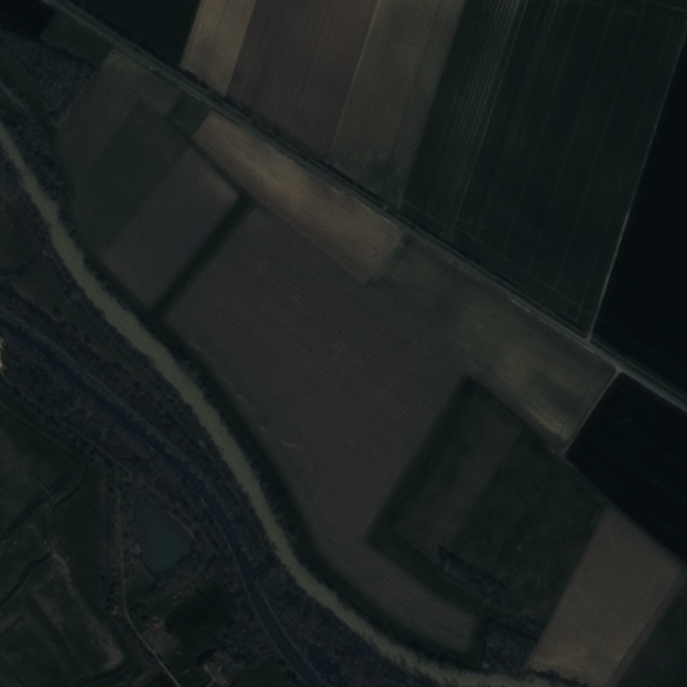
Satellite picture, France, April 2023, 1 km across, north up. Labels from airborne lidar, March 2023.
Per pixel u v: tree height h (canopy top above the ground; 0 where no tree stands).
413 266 0
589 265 0
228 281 0
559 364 0
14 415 0
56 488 0
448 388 0
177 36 0
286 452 0
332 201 0
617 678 0
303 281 0
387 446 0
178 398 11
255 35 0
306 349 0
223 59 0
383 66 0
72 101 10
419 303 0
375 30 0
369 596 0
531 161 0
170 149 0
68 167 0
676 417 0
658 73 0
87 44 0
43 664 0
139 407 21
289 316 0
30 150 17
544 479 0
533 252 0
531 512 0
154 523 0
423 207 0
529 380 0
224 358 0
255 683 0
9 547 0
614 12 0
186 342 0
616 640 0
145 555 0
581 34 0
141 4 0
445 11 0
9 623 0
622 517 0
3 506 0
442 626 0
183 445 23
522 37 0
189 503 10
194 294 0
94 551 0
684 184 0
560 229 0
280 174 0
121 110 0
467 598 0
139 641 8
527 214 0
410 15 0
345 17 0
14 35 10
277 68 0
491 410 0
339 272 0
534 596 0
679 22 0
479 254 0
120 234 0
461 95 0
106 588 0
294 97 0
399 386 0
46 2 0
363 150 0
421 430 0
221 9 0
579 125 0
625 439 0
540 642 8
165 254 0
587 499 0
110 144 0
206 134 0
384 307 0
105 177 0
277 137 9
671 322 0
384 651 0
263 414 0
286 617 16
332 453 0
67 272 7
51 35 0
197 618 0
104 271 0
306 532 0
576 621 0
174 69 11
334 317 0
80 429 8
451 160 0
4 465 0
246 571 0
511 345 0
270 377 0
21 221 0
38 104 0
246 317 0
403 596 0
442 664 11
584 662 0
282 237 0
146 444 30
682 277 0
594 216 0
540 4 0
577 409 0
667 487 0
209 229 0
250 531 15
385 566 0
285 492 0
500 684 0
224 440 0
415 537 0
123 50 0
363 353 0
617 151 0
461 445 0
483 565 0
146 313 0
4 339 25
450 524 0
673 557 0
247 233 0
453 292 0
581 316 0
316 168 0
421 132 0
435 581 0
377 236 0
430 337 0
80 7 13
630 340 0
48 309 0
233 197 0
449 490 0
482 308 0
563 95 0
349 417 0
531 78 0
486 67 0
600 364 0
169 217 0
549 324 0
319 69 0
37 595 0
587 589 0
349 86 0
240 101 0
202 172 0
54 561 0
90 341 11
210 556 0
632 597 0
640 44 0
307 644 13
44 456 0
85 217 0
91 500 0
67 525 0
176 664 0
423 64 0
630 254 0
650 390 0
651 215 0
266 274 0
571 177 0
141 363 8
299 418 0
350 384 0
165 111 0
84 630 0
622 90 0
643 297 0
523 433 0
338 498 0
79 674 0
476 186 0
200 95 0
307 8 0
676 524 0
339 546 0
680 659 0
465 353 0
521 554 0
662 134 0
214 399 8
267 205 0
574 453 0
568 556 0
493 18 0
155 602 0
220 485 16
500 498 0
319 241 0
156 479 23
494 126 0
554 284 0
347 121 0
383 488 0
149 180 0
